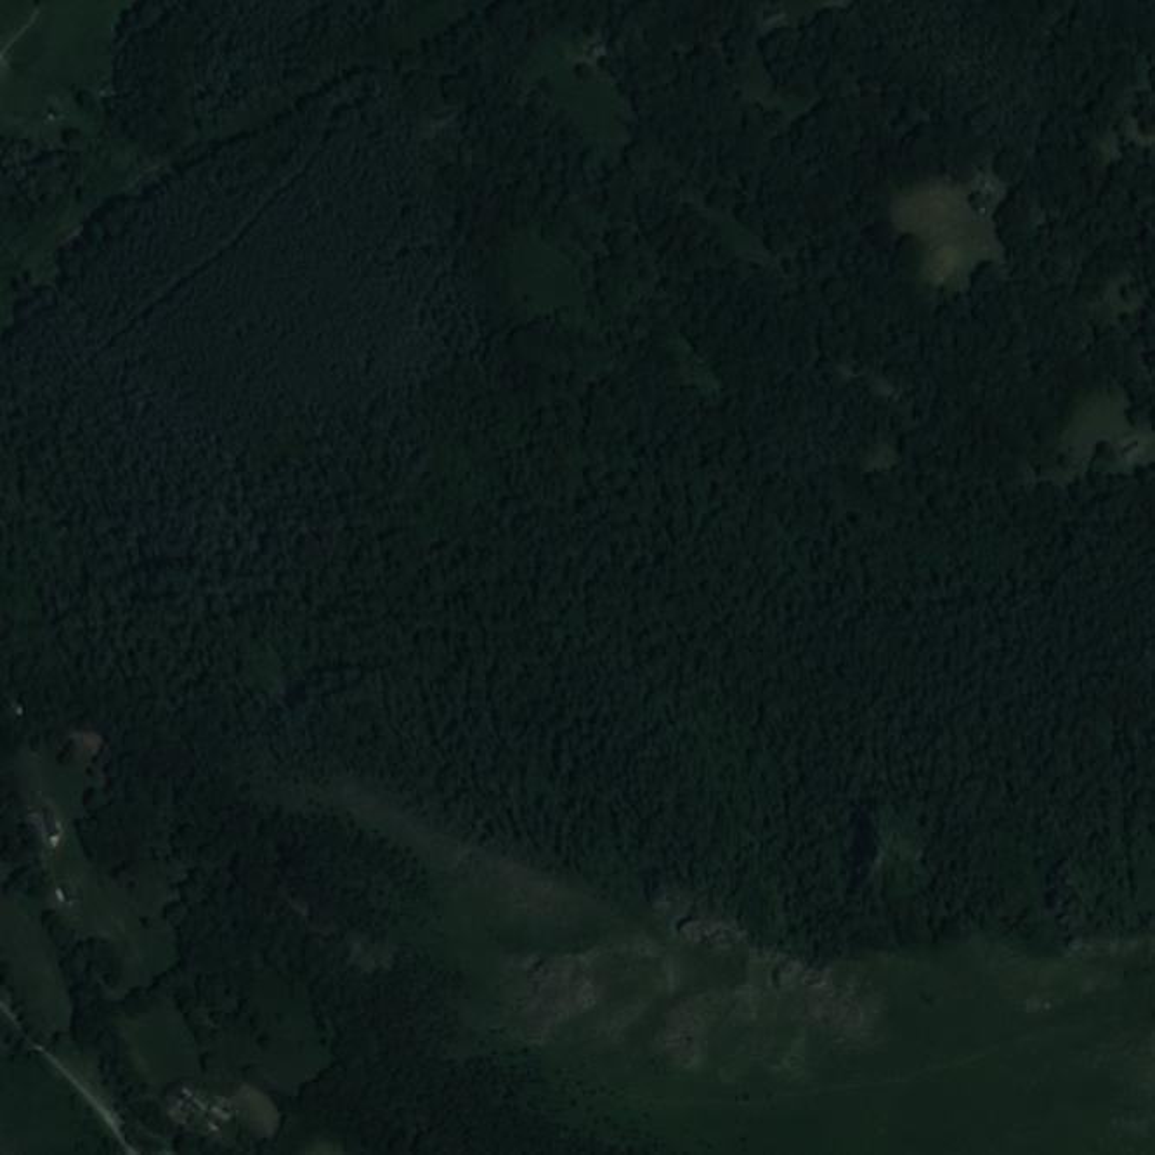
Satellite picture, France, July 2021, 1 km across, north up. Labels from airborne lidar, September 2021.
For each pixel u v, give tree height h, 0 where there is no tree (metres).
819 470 27
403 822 0
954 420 28
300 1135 8
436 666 25
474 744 18
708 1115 0
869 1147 0
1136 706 25
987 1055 0
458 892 0
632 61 23
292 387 25
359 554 8
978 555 11
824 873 19
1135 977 8
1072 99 20
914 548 9
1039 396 30
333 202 27
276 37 26
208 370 24
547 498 16
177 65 28
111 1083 12
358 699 29
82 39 0
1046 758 15
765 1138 0
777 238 22
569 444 9
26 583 11
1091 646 20
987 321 25
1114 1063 0
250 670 16
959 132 25
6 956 16
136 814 25
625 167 7
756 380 18
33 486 20
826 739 17
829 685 24
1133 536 19
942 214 0
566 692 17
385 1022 17
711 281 22
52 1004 0
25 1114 0
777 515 12
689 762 20
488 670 15
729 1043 0
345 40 23
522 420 9
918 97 16
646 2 8
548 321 16
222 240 21
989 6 21
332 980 20
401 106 28
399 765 12
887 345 21
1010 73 14
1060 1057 0
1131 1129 0
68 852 0
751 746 8
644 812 16
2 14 0
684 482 11
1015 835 22
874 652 24
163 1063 0
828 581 11
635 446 13
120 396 20
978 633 23
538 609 24
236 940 23
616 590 25
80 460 13
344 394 21
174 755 13
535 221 19
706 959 0
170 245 23
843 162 26
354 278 22
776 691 29
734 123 21
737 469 14
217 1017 13
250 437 21
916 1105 0
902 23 11
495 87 17
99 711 14
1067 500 17
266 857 19
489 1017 0
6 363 27
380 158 23
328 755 11
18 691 10
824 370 20
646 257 9
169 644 7
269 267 24
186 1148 25
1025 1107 0
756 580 19
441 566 12
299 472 21
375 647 10
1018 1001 0
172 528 21
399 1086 16
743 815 24
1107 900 15
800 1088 0
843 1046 0
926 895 13
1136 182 20
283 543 18
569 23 12
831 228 25
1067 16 11
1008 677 25
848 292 26
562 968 0
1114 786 16
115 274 25
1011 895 12
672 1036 0
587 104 0
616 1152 16
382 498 19
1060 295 24
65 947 12
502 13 22
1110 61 15
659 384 19
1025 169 19
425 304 21
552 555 21
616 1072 0
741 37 20
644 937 0
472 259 25
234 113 27
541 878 0
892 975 0
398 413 24
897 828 10
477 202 20
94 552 22
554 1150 15
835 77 21
